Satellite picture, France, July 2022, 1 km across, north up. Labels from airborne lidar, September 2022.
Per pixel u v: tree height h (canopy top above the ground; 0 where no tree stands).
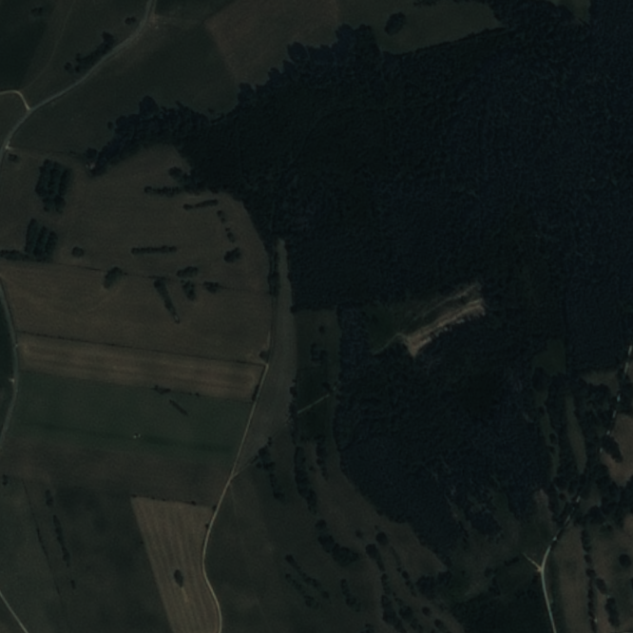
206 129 10
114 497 0
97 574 0
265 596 0
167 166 0
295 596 0
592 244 36
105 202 0
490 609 7
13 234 0
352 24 0
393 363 10
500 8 12
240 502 0
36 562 0
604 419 21
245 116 11
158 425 0
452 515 18
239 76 0
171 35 0
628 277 27
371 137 11
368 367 19
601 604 0
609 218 31
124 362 0
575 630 0
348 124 10
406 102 12
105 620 0
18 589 0
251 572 0
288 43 0
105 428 0
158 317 0
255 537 0
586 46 21
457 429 14
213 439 0
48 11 0
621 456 17
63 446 0
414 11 0
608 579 0
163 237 0
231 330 0
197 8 0
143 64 0
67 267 0
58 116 0
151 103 21
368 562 0
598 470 13
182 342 0
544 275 9
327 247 13
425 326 0
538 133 22
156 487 0
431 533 20
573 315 20
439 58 11
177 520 0
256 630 0
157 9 0
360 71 17
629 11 25
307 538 0
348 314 20
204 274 0
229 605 0
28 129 0
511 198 25
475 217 26
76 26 0
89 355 0
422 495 20
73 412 0
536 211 30
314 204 17
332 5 0
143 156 0
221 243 0
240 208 0
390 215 22
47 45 0
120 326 0
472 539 0
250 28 0
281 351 0
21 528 0
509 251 8
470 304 0
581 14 0
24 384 0
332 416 0
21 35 0
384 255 8
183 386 0
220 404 0
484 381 6
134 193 0
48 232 7
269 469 13
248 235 0
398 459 14
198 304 0
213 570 0
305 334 0
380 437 19
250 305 0
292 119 8
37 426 0
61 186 7
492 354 19
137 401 0
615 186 32
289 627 0
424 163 16
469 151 16
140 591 0
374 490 17
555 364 0
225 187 14
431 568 0
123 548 0
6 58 0
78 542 0
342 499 0
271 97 12
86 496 0
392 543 0
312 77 17
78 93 0
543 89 30
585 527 11
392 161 8
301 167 7
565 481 13
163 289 10
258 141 8
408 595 0
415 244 24
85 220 0
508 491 19
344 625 0
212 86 0
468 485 22
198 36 0
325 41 0
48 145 0
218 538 0
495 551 0
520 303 18
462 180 22
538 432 17
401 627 12
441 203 21
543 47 9
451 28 0
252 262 0
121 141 22
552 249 14
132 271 0
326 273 14
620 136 23
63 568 0
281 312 0
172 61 0
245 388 0
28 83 0
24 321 0
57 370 0
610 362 18
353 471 15
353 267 13
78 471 0
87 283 0
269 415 0
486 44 6
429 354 20
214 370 0
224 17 0
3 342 0
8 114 0
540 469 23
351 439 13
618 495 20
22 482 0
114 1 0
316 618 0
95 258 0
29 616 0
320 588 8
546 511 0
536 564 0
